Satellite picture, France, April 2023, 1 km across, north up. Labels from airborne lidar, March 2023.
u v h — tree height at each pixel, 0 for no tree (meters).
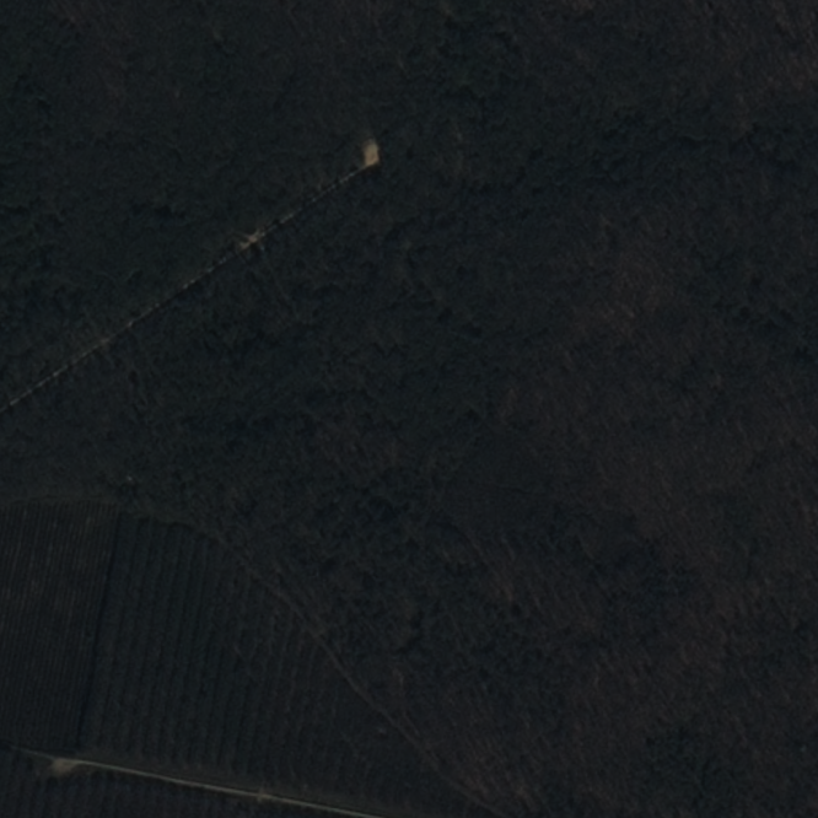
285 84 20
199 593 11
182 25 29
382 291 23
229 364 26
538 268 21
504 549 25
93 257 28
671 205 25
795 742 22
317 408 23
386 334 24
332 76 26
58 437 27
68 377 26
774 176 21
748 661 21
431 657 24
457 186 20
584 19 24
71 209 28
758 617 22
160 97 27
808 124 22
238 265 24
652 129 23
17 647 0
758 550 21
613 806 20
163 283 20
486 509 14
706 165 21
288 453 24
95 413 27
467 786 20
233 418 10
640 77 26
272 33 27
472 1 23
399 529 27
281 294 13
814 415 23
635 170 26
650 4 25
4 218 25
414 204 25
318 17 27
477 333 25
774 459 23
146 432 25
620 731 22
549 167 23
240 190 24
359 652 15
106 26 28
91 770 0
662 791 20
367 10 28
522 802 27
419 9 23
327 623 20
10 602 0
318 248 23
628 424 19
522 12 25
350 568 27
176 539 11
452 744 23
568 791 23
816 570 23
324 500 25
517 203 24
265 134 24
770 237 21
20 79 16
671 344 27
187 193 26
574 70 27
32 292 12
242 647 13
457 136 24
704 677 18
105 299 18
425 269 25
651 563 17
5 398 17
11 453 20
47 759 0
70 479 29
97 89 25
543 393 29
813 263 15
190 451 21
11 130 22
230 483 25
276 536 27
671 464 20
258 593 10
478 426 16
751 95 27
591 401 23
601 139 26
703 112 22
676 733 17
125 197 20
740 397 21
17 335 27
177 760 15
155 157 24
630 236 25
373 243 26
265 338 15
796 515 22
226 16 24
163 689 17
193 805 12
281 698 12
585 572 23
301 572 25
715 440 20
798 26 26
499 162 24
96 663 9
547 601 28
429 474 18
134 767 0
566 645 25
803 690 25
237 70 24
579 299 21
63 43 20
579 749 24
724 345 23
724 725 18
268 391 18
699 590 20
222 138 26
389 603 20
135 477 20
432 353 23
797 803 24
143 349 24
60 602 0
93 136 24
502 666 24
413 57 23
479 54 25
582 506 16
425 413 23
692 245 24
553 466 19
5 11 24
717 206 26
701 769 18
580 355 30
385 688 24
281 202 25
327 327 25
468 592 23
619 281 19
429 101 28
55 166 22
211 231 24
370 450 19
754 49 27
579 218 26
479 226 24
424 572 26
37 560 0
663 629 27
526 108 26
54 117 24
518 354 26
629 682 22
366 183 20
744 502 19
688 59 23
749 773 21
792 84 27
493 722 20
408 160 25
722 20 17
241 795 0
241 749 15
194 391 22
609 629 15
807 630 18
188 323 23
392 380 26
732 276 27
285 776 13
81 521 0
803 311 22
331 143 22
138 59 23
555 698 18
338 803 0
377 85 21
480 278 25
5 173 23
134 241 24
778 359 24
